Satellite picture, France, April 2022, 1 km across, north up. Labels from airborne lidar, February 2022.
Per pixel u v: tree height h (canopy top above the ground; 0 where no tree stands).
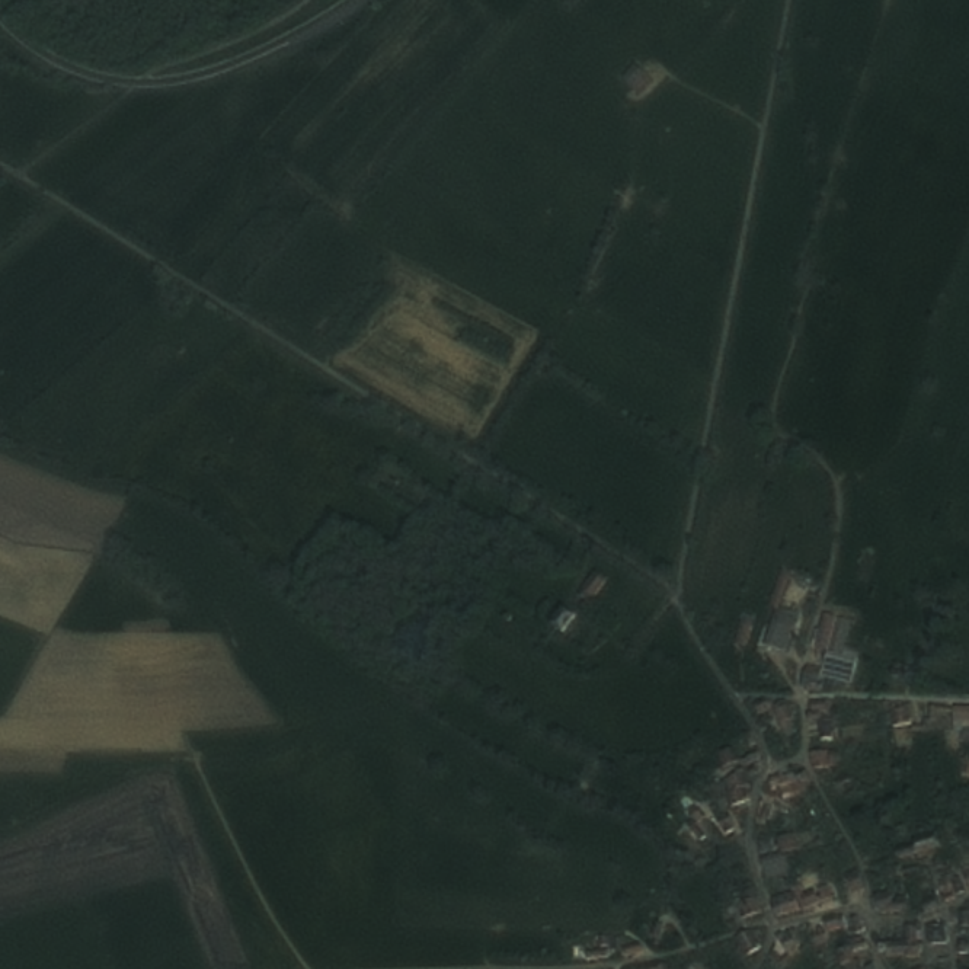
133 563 17
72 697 0
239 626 0
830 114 0
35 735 0
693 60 0
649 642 0
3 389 0
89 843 0
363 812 0
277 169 0
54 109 0
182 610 13
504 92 0
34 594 0
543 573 10
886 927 0
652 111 0
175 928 0
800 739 6
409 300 0
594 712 0
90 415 0
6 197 0
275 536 0
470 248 0
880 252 0
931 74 0
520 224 0
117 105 0
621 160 0
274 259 0
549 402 0
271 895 0
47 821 0
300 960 0
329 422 0
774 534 0
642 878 0
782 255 0
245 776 0
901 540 0
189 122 0
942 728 0
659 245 0
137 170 0
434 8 0
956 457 0
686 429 0
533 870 0
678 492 0
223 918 0
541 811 0
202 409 0
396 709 0
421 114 0
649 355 0
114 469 0
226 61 0
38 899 0
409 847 0
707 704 0
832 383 0
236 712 0
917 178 0
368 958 0
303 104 0
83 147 0
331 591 27
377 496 0
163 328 0
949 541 0
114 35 18
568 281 0
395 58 0
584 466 0
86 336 0
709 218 0
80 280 0
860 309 0
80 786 0
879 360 0
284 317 0
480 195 0
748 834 0
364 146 0
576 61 0
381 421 21
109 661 0
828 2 0
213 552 0
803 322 14
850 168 0
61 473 0
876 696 10
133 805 0
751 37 0
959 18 0
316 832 0
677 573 20
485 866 0
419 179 0
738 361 0
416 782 0
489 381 0
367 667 26
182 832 0
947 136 0
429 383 0
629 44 0
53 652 0
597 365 0
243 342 0
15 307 0
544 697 0
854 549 0
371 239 0
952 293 0
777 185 0
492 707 23
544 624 7
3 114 0
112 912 0
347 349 0
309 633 0
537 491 18
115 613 0
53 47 21
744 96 0
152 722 0
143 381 0
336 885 0
